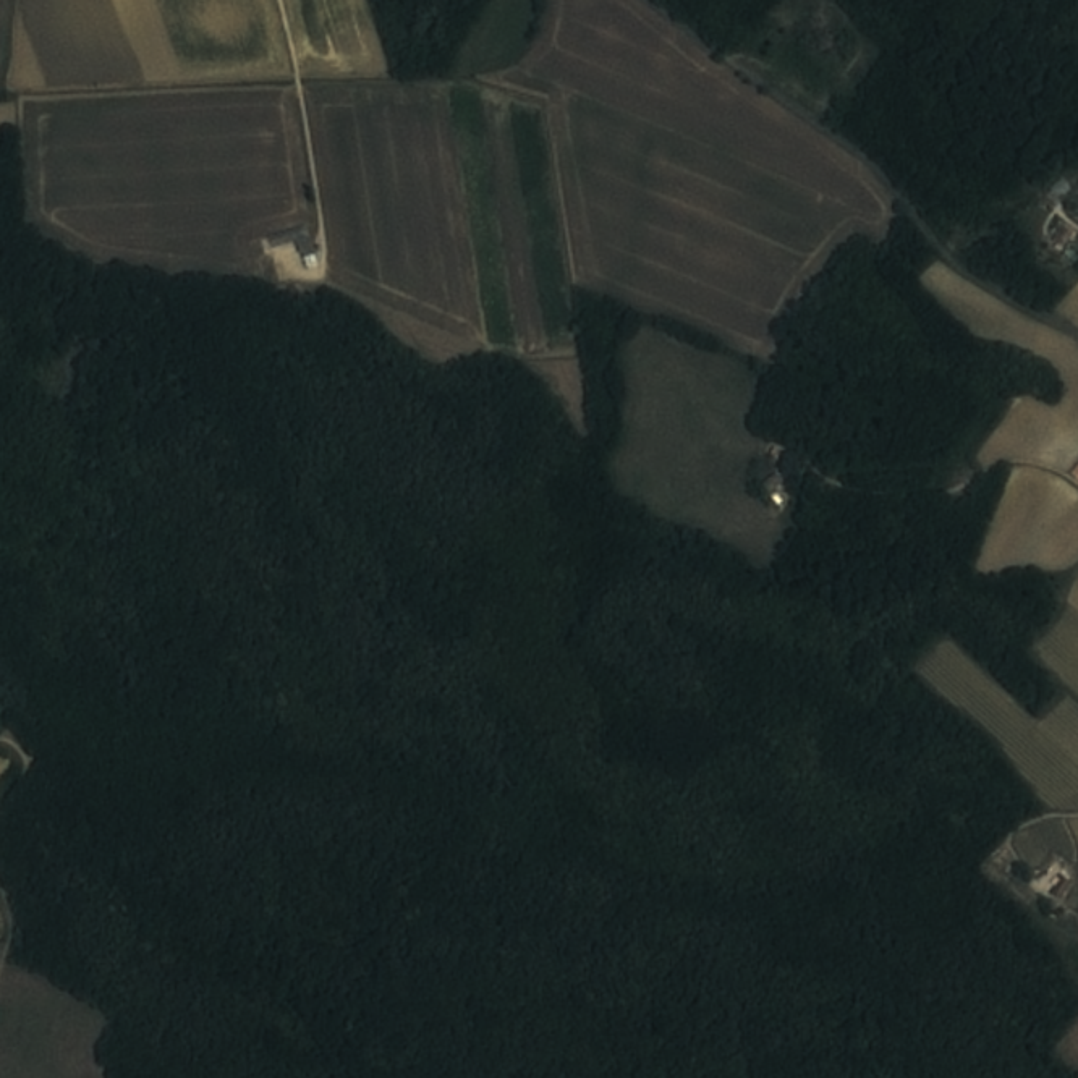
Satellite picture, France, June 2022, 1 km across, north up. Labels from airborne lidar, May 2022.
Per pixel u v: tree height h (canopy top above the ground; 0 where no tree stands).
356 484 14
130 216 0
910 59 21
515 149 0
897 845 9
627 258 0
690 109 0
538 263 0
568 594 11
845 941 12
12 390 21
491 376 17
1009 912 18
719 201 0
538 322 0
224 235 0
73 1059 0
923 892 10
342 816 13
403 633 21
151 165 0
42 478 21
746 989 15
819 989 15
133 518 18
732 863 17
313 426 14
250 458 25
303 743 15
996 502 16
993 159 16
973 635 18
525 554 15
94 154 0
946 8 15
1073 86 6
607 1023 15
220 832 14
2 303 26
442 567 18
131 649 20
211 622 19
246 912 14
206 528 18
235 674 20
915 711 17
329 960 16
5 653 16
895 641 22
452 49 11
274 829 16
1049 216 0
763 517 0
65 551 18
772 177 0
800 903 14
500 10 0
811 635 18
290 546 19
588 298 7
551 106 0
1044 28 27
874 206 0
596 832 11
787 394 22
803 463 14
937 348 21
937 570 23
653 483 0
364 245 0
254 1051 15
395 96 0
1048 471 0
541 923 19
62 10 0
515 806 14
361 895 14
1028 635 13
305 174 0
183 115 0
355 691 15
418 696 20
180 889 14
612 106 0
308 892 12
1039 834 0
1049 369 11
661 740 18
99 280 21
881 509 10
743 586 26
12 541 19
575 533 15
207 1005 17
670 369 0
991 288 0
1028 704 11
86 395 25
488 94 0
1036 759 0
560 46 0
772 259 0
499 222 0
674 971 13
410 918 20
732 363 0
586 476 15
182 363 28
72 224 0
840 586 33
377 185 0
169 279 21
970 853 10
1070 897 0
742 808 12
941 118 11
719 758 9
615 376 17
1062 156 21
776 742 14
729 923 16
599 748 15
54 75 0
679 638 20
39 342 24
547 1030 15
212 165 0
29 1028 0
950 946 10
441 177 0
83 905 20
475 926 20
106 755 14
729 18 12
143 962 18
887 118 13
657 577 21
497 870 14
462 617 20
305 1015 24
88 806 16
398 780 12
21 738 13
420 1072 21
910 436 9
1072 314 0
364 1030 20
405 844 11
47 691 14
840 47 6
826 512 9
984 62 24
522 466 11
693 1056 12
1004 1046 12
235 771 15
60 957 17
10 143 19
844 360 24
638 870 11
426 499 19
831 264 9
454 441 26
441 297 0
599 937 15
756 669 13
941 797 15
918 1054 15
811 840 13
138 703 20
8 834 17
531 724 11
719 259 0
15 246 24
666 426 0
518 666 14
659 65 0
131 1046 15
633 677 20
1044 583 15
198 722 16
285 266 0
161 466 19
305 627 19
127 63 0
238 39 0
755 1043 16
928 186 21
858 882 11
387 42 12
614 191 0
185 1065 14
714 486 0
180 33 0
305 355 21
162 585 18
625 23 0
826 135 0
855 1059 22
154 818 15
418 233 0
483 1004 16
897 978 16
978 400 7
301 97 0
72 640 17
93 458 20
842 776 12
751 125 0
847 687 11
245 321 24
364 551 20
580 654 13
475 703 17
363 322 19
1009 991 9
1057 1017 14
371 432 20
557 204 0
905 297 15
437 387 21
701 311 0
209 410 27
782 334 25
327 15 0
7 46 0
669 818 13
